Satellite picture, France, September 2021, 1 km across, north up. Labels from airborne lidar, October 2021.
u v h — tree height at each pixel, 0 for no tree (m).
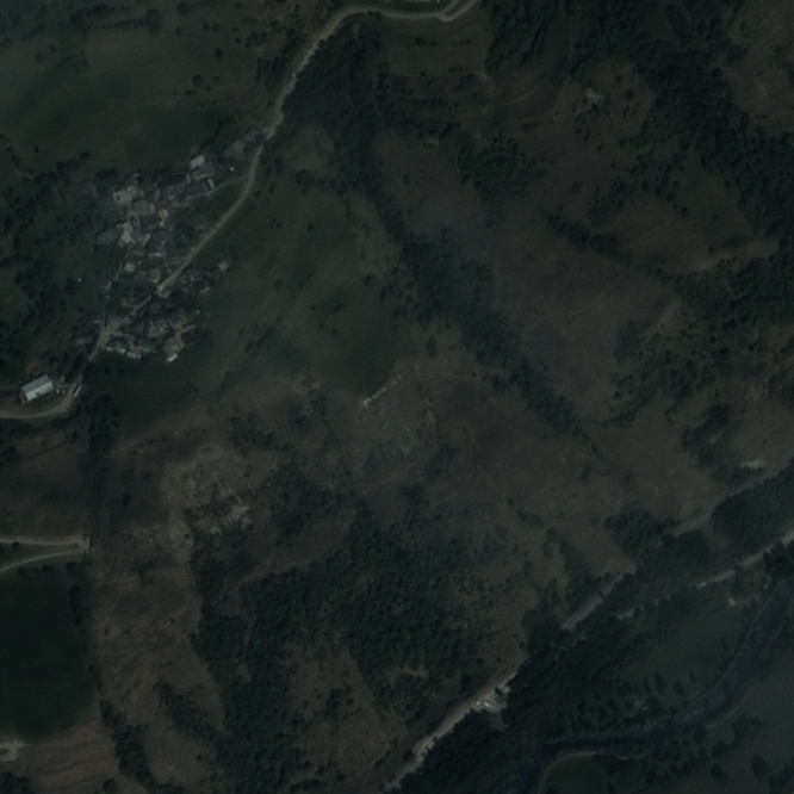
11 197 7
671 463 0
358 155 23
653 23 0
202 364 0
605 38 18
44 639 0
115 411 8
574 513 0
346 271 0
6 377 11
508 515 0
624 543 10
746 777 0
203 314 0
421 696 14
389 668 14
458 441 0
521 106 0
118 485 0
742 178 17
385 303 7
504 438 0
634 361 5
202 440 0
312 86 17
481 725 19
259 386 0
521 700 20
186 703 6
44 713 0
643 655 27
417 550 11
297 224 0
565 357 0
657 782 19
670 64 12
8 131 0
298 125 16
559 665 18
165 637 0
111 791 15
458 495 0
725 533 6
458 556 13
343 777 9
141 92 0
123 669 0
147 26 13
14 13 9
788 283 11
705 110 23
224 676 15
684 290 10
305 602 12
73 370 6
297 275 0
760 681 19
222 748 16
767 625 0
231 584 0
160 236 0
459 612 10
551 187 0
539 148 0
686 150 13
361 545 11
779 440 0
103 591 0
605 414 0
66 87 0
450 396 0
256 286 0
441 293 25
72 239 6
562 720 22
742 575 19
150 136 0
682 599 20
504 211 0
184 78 0
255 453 0
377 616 8
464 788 19
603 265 0
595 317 0
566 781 0
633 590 15
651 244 0
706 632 0
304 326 0
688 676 0
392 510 0
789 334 0
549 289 0
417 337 0
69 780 0
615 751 12
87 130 0
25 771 0
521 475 0
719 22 10
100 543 0
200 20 0
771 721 0
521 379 13
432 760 21
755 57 0
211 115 0
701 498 0
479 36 0
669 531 13
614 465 0
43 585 0
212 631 17
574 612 10
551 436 0
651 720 17
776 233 17
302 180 8
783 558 18
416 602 12
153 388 0
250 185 0
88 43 0
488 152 12
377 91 7
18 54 0
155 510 0
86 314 6
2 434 9
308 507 10
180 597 0
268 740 20
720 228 0
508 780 18
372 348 0
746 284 14
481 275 16
